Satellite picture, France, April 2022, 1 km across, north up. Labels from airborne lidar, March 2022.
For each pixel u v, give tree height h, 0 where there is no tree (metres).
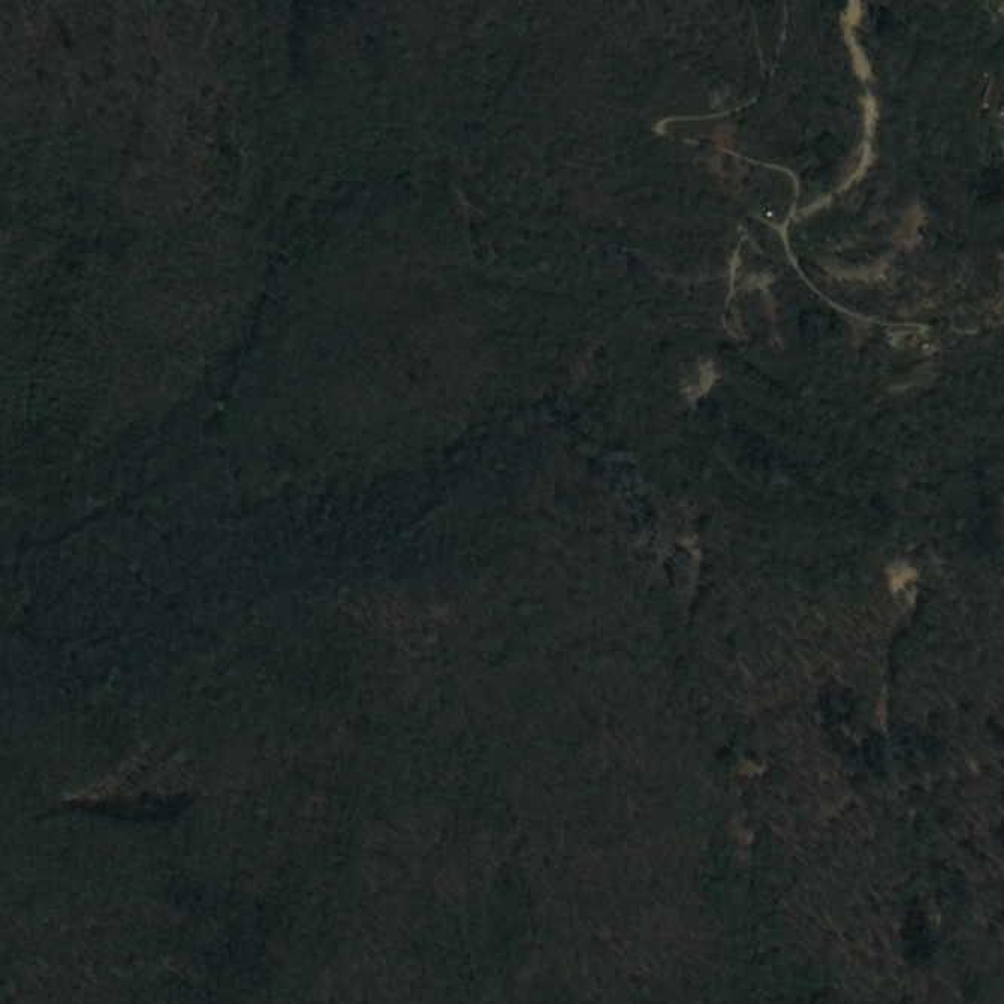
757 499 17
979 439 7
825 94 10
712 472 23
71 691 13
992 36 15
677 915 20
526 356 20
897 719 25
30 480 21
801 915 23
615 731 21
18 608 21
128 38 20
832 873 24
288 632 15
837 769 26
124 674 21
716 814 24
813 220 0
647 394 17
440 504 18
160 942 19
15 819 17
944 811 22
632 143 20
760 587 21
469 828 19
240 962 18
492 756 21
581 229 18
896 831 28
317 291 19
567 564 27
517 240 21
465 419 22
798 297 10
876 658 28
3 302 20
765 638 22
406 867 18
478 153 17
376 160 20
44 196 22
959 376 8
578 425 24
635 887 21
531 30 8
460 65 17
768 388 24
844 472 19
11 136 22
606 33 11
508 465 18
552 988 10
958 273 18
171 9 23
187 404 24
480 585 21
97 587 24
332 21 22
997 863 29
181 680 21
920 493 27
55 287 18
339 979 24
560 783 24
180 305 19
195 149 21
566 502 25
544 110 17
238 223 26
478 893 20
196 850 19
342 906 19
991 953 23
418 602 20
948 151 10
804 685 23
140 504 21
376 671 13
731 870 14
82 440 21
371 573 16
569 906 27
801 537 16
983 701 25
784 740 24
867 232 0
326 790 15
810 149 17
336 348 20
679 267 23
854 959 15
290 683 14
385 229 22
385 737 22
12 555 22
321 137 21
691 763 22
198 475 24
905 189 17
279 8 24
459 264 12
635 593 25
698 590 7
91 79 21
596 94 18
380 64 12
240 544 19
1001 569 12
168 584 21
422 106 21
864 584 24
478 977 22
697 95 10
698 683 16
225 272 13
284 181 24
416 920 24
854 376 15
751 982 22
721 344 5
